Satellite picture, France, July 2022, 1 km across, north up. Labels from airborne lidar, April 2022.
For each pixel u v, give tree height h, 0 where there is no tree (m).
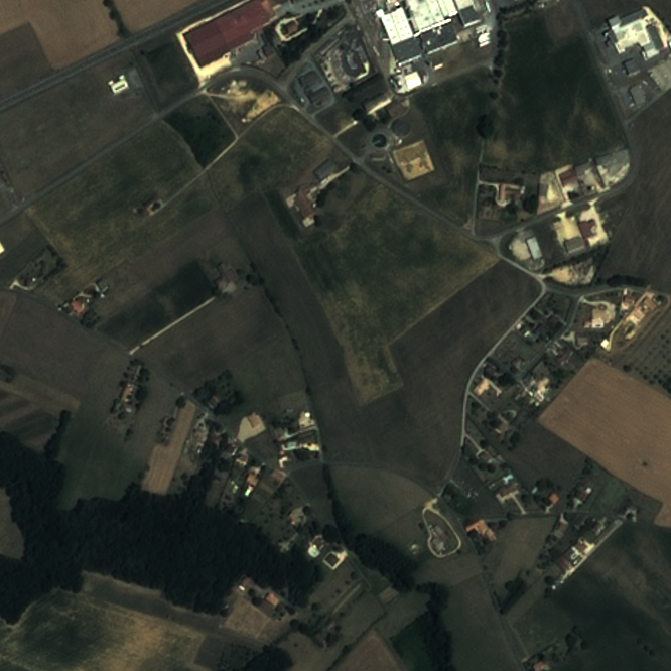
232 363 0
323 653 0
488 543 6
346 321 0
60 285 0
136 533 20
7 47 0
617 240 0
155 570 16
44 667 0
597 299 0
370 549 29
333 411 0
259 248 0
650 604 0
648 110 0
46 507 20
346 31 0
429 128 0
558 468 0
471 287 0
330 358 0
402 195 0
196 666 0
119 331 0
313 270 0
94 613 0
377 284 0
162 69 0
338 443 0
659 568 0
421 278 0
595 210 0
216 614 8
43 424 0
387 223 0
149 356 0
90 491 0
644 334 0
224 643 0
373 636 0
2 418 0
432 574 0
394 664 0
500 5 0
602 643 0
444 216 0
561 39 0
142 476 7
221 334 0
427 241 0
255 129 0
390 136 0
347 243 0
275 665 21
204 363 0
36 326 0
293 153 0
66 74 0
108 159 0
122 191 0
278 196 0
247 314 0
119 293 0
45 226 0
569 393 0
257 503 0
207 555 22
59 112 0
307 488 0
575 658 0
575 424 0
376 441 0
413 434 0
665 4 0
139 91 0
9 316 0
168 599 6
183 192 0
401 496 0
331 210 0
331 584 0
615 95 0
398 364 0
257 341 0
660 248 0
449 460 0
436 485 0
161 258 0
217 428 10
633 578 0
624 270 0
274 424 7
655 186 0
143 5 0
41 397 0
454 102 0
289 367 0
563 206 0
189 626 0
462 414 0
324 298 0
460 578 0
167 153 0
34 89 0
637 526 0
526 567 0
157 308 0
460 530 0
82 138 0
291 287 0
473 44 0
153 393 0
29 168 0
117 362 0
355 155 0
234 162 0
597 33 0
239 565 21
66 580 19
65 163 0
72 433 0
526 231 0
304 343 0
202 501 18
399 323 0
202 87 0
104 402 0
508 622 0
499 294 0
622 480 0
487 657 0
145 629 0
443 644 22
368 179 0
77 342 0
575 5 0
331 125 0
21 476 21
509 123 0
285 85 0
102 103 0
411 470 0
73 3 0
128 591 0
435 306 0
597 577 0
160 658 0
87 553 22
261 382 0
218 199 0
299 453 11
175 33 0
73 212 0
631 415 0
